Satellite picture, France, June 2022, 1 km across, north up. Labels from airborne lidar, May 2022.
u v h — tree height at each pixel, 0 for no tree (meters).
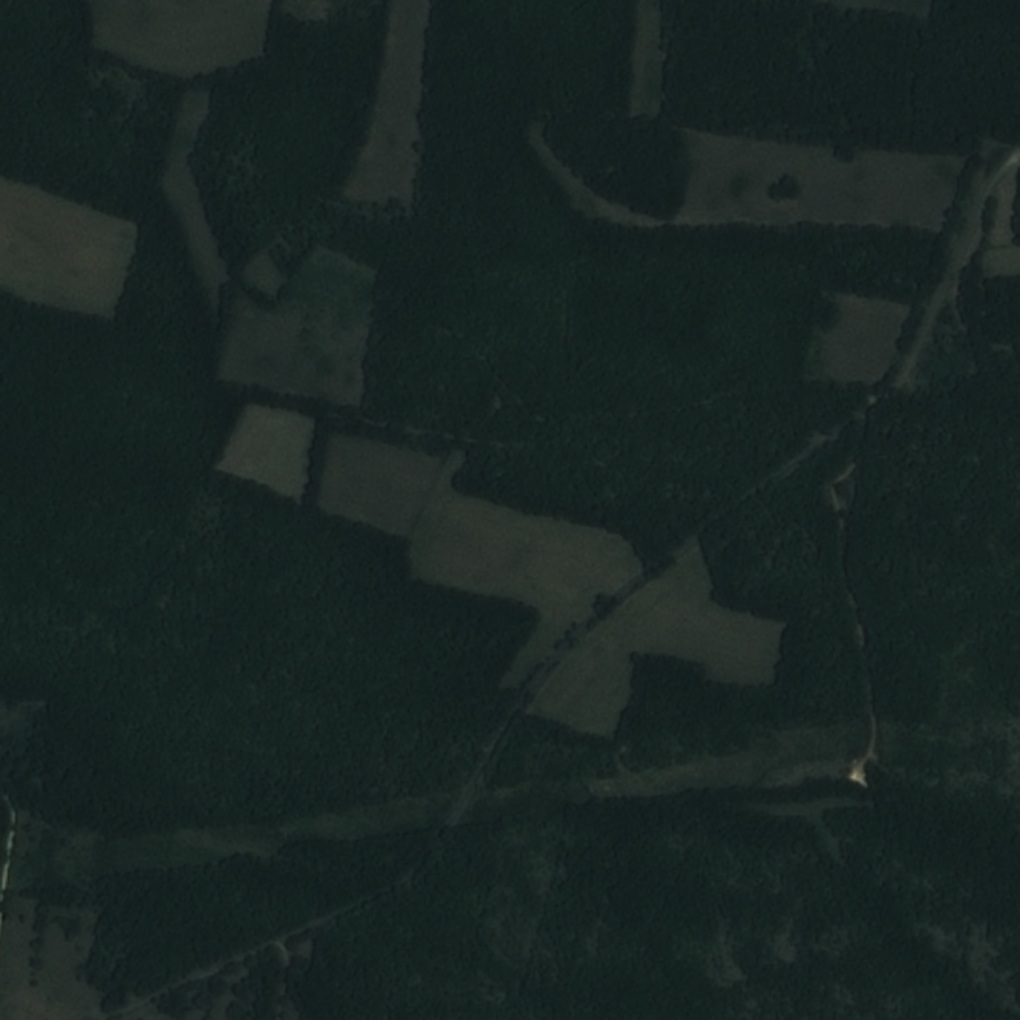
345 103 14
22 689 14
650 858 9
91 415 9
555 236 11
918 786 7
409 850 9
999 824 10
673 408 7
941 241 13
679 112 13
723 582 13
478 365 11
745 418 7
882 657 13
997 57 15
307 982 12
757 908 9
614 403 9
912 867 7
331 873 9
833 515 8
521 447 8
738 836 11
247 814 10
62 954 0
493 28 11
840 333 0
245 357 0
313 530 10
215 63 0
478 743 10
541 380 12
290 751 9
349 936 11
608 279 7
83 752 13
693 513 12
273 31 12
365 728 10
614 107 13
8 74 11
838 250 10
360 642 9
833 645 12
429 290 12
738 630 0
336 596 11
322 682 10
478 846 10
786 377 9
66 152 8
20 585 6
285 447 0
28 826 9
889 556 15
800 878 12
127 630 11
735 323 7
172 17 0
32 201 0
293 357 0
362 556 10
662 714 7
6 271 0
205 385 11
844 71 14
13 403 14
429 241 11
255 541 11
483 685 15
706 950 6
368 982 8
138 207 9
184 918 11
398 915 11
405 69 0
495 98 16
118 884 13
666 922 10
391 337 10
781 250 11
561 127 12
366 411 9
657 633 0
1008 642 8
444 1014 10
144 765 10
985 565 12
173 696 11
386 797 12
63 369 12
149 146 10
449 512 0
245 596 13
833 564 15
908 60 13
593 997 9
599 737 8
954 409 14
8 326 10
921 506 17
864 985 7
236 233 6
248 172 13
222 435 9
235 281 8
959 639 10
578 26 11
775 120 10
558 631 0
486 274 10
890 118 12
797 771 0
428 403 10
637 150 13
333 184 10
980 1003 11
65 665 10
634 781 0
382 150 0
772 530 12
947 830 12
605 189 10
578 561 0
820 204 0
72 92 14
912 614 11
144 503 11
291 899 10
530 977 10
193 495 8
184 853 0
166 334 8
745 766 0
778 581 11
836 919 10
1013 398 13
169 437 7
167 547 8
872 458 11
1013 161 0
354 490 0
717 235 11
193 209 0
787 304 10
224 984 13
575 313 7
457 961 10
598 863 11
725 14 13
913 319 8
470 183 11
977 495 14
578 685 0
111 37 0
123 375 11
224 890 11
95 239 0
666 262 8
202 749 9
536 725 12
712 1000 8
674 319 9
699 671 14
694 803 10
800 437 11
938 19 13
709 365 9
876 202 0
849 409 13
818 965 10
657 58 0
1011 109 12
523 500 10
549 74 10
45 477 13
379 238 10
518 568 0
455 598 15
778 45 12
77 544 8
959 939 7
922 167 0
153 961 12
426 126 11
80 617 8
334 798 12
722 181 0
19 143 10
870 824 13
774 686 10
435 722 13
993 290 11
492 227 11
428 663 11
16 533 8
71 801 16
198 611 6
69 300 0
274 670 10
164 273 8
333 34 14
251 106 12
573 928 12
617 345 9
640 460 8
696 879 9
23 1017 0
